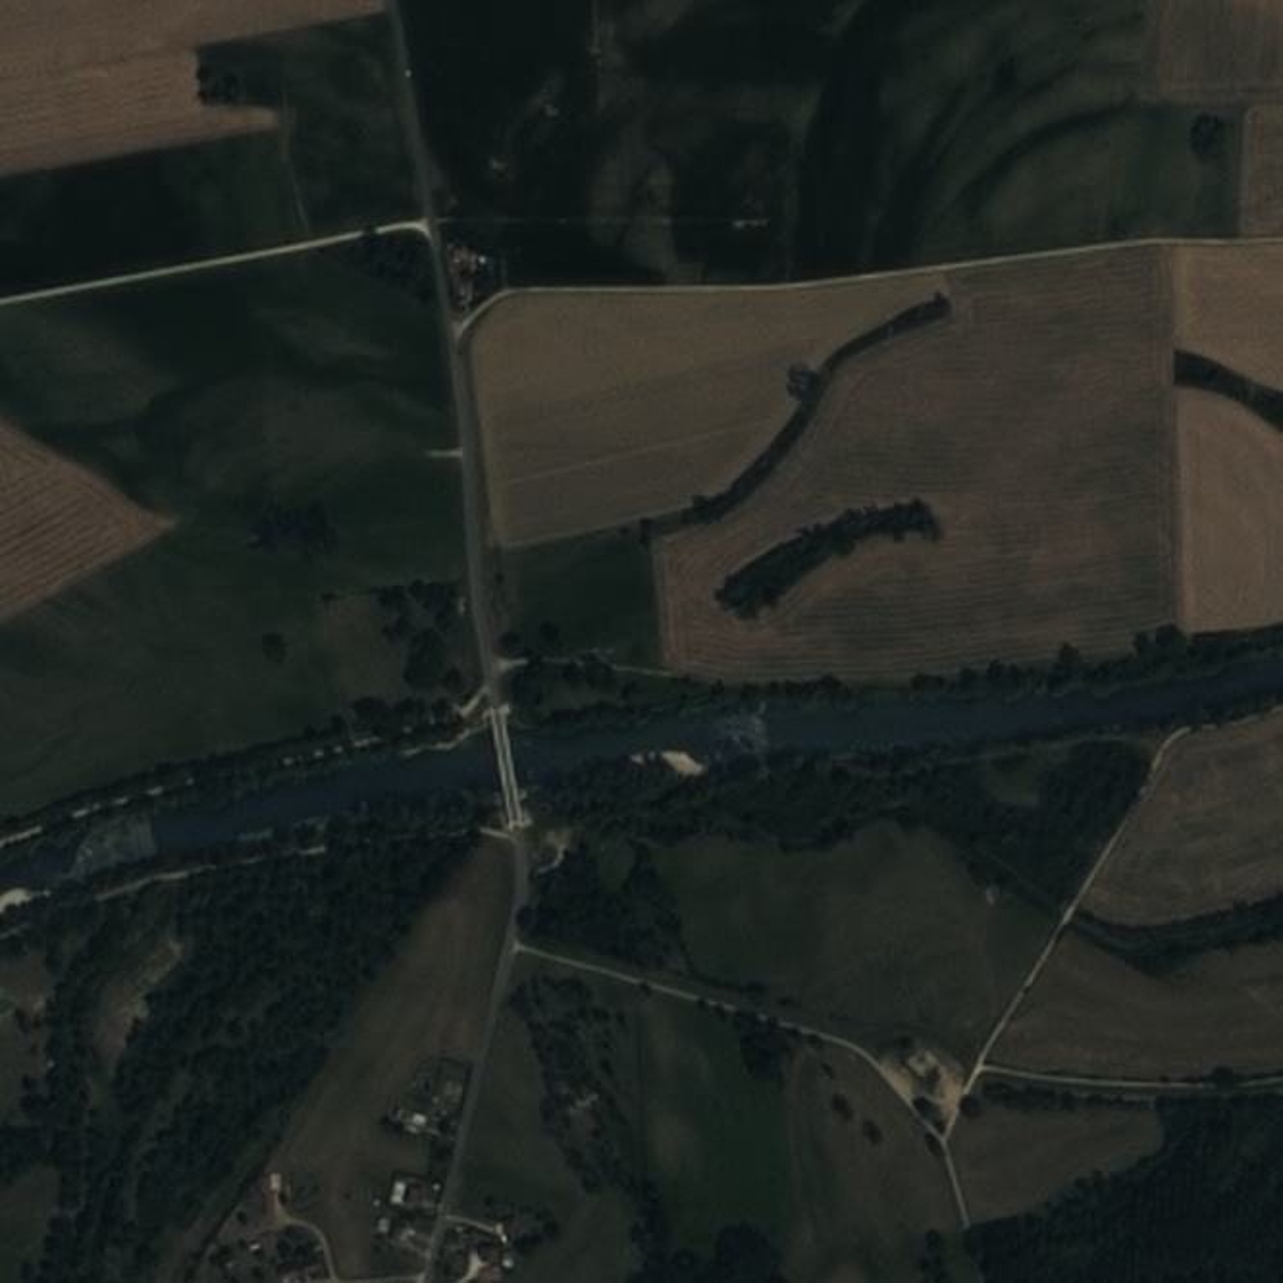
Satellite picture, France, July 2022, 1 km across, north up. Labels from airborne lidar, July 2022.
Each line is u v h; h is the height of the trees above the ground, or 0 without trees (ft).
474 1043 0
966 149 0
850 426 0
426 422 0
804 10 0
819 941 0
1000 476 0
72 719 0
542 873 32
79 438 0
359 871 43
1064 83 0
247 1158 0
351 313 0
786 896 0
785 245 0
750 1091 0
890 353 0
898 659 0
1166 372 0
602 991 0
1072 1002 0
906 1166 0
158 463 0
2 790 0
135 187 0
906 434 0
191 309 0
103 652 0
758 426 0
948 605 0
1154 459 0
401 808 75
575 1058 60
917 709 0
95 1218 22
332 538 112
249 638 0
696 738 0
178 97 0
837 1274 0
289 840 60
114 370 0
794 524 0
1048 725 0
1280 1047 0
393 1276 0
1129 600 0
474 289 20
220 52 0
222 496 0
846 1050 0
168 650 0
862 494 0
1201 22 0
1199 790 0
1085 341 0
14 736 0
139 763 0
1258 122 0
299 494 0
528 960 0
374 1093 0
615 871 0
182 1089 0
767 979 0
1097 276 0
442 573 0
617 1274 0
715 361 0
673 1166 0
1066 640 0
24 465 0
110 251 0
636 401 0
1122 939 49
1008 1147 0
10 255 0
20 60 0
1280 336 0
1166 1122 31
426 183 0
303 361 0
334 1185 0
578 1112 0
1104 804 50
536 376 0
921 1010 0
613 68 0
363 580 0
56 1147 31
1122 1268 83
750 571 19
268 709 0
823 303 0
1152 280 0
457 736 32
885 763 42
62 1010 29
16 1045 0
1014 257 0
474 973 0
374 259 44
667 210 0
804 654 0
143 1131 35
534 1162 0
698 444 0
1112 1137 0
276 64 0
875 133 0
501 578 30
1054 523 0
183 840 0
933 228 0
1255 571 0
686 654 0
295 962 46
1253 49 0
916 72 0
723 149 0
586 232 0
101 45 0
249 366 0
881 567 0
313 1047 22
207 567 0
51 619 0
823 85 0
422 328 0
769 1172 0
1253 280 0
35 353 0
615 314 0
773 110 0
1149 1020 0
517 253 0
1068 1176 0
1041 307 0
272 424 0
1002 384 0
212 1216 0
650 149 0
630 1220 0
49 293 0
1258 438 0
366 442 0
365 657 0
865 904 0
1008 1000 0
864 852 0
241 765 50
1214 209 0
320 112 0
